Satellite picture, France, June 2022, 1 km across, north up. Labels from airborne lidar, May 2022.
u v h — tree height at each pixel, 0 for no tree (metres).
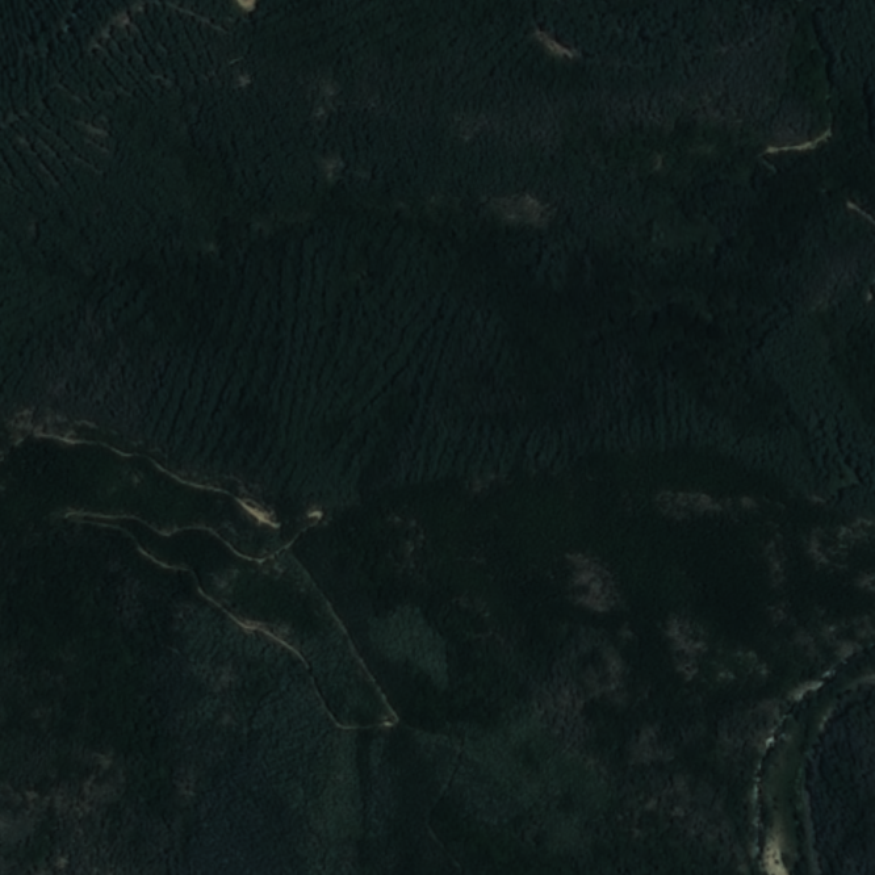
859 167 13
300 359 22
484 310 21
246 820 10
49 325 29
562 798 12
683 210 11
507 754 12
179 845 22
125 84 26
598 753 11
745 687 12
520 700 12
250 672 16
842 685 16
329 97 11
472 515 12
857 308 28
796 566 11
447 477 15
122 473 7
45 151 27
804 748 7
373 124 27
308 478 20
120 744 14
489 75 14
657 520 13
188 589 13
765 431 23
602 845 23
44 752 16
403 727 6
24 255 24
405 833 10
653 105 19
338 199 17
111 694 11
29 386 26
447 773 12
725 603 22
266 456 20
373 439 29
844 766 18
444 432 26
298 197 28
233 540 5
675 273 9
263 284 20
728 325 7
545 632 13
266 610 9
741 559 14
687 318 22
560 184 26
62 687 10
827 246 18
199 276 26
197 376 27
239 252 23
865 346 18
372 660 8
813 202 21
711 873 13
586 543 11
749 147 17
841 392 39
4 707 15
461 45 25
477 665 23
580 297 29
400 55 26
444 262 34
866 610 10
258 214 16
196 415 19
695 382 17
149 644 10
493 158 21
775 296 13
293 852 7
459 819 16
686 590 19
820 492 21
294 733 13
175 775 6
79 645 10
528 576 19
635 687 10
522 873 10
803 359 36
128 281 23
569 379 18
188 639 10
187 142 10
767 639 12
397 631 11
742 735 10
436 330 26
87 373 20
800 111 24
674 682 13
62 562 15
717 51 28
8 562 12
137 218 25
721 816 10
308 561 8
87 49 23
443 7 27
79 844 12
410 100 21
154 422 24
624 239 14
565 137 19
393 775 9
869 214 20
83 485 10
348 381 15
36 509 13
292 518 8
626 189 26
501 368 30
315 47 20
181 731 9
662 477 12
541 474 9
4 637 26
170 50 20
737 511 8
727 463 17
